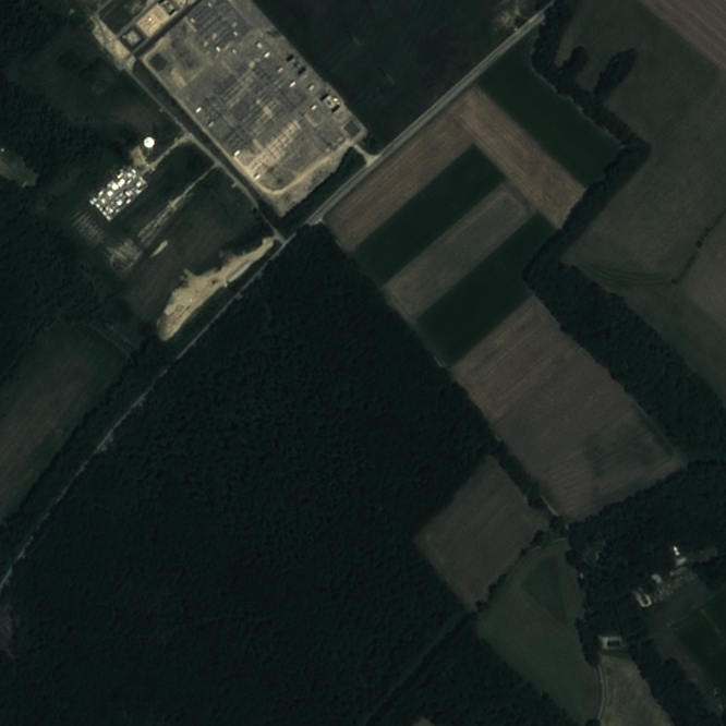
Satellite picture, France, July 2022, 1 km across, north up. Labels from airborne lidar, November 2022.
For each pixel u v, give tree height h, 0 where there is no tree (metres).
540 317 0
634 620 24
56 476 20
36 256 23
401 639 20
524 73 0
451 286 0
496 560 0
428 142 0
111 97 0
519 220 0
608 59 0
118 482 23
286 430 23
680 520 25
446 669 26
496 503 0
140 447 14
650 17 0
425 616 21
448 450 18
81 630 26
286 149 0
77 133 17
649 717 0
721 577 19
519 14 0
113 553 24
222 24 0
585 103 25
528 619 0
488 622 0
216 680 15
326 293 21
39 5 8
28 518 22
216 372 23
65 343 0
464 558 0
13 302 26
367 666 16
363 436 26
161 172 0
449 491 22
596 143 0
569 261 0
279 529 19
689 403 26
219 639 26
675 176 0
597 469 0
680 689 26
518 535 0
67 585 22
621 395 0
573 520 0
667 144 0
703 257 0
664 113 0
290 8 0
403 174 0
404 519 26
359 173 0
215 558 27
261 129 0
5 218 20
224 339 21
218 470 25
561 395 0
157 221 0
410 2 0
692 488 26
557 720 20
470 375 0
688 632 0
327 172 0
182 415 21
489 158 0
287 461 20
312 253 20
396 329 25
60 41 0
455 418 21
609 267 0
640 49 0
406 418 26
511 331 0
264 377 21
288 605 31
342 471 24
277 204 0
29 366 0
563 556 0
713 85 0
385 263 0
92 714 25
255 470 24
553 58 20
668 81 0
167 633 22
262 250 0
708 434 22
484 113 0
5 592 12
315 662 24
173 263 0
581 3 0
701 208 0
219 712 24
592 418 0
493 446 24
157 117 0
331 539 24
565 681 0
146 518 24
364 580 25
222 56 0
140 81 0
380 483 27
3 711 20
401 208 0
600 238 0
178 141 0
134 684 29
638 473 0
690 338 0
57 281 22
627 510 25
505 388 0
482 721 24
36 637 10
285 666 25
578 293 28
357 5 0
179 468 23
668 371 27
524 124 0
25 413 0
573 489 0
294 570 26
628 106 0
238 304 18
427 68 0
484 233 0
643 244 0
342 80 0
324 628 26
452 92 0
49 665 20
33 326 11
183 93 0
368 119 0
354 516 23
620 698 0
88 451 19
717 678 0
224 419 24
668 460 0
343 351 20
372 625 22
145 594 19
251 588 29
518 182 0
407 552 21
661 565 24
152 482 19
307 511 23
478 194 0
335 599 25
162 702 27
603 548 0
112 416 18
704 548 22
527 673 0
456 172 0
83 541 27
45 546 25
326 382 24
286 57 0
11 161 0
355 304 23
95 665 29
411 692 24
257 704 25
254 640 22
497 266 0
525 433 0
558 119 0
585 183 0
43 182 15
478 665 22
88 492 24
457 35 0
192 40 0
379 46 0
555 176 0
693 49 0
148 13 0
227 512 28
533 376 0
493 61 0
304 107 0
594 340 24
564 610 0
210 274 0
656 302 0
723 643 0
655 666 25
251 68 0
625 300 9
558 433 0
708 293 0
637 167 21
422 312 0
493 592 15
